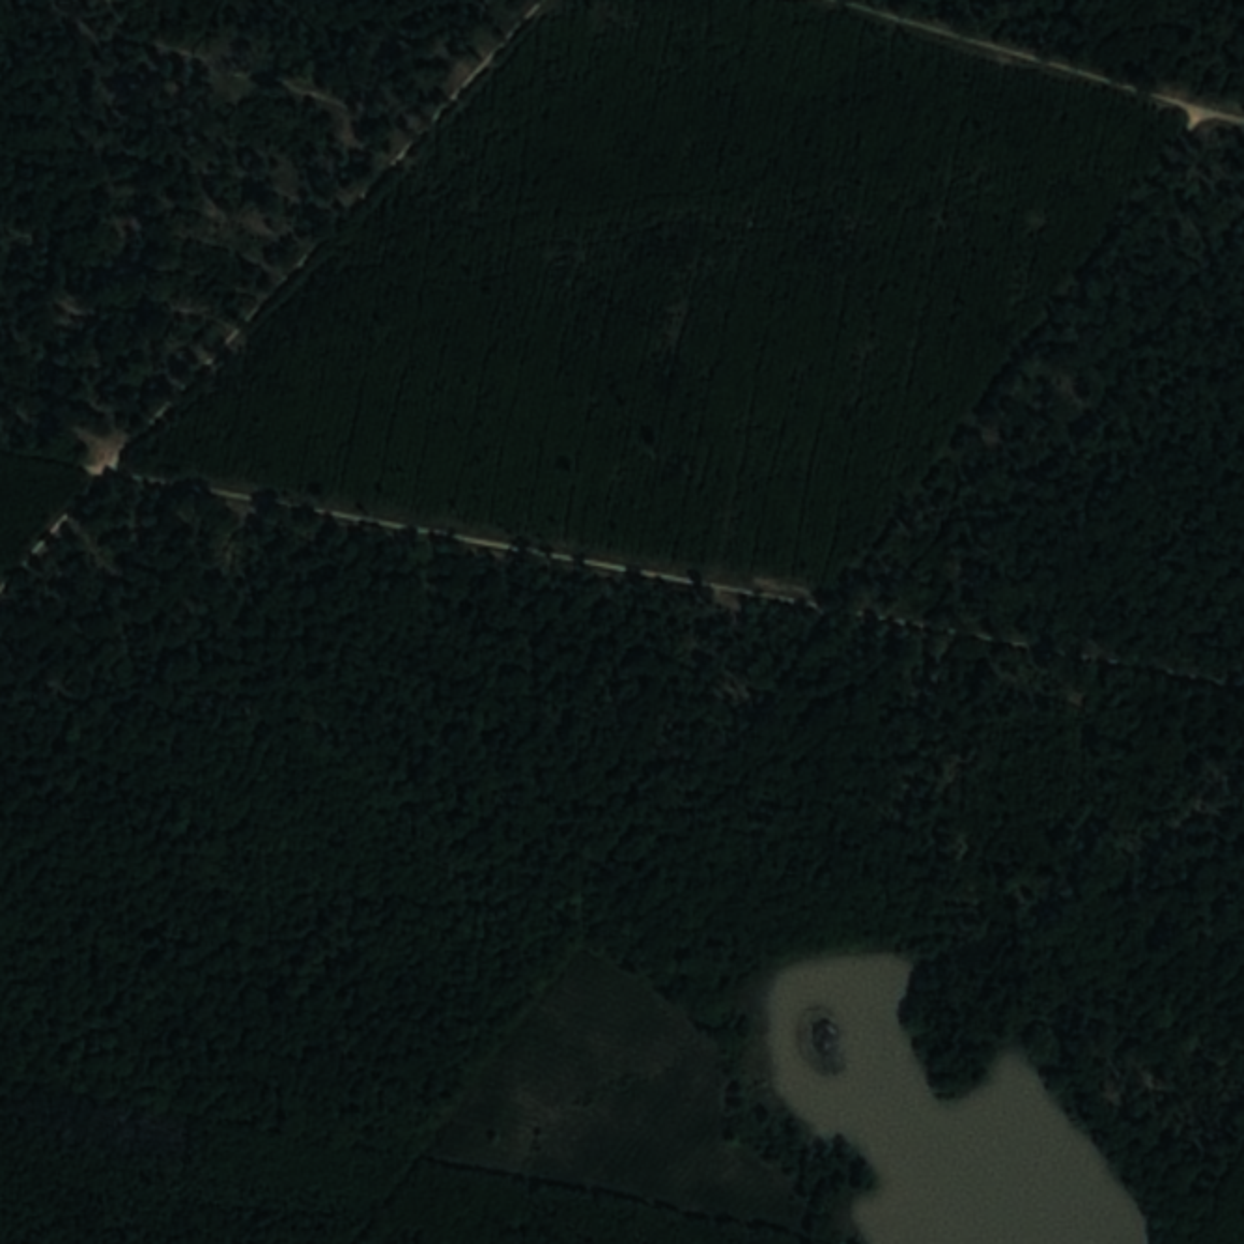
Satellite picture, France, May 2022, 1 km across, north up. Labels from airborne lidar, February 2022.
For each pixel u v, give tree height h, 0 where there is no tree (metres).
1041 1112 0
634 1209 14
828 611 20
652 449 32
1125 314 26
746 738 21
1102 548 23
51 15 24
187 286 7
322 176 27
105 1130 19
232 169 11
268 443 8
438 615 19
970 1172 0
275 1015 28
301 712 22
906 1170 0
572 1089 0
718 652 23
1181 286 23
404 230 7
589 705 20
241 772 24
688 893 28
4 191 27
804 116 9
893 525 16
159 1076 28
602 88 6
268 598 25
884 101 6
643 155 6
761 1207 0
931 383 5
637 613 21
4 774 29
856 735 21
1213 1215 9
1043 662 31
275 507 26
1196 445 22
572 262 5
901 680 23
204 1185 19
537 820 20
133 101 27
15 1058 24
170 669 25
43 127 24
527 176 7
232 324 30
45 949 28
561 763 21
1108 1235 0
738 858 21
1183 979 22
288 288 8
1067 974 27
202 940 27
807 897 17
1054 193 6
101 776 28
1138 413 24
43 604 29
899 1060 0
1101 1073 26
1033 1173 0
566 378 5
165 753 25
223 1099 25
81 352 30
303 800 24
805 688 21
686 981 29
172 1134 19
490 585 24
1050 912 27
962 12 25
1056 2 12
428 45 22
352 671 22
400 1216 16
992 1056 14
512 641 19
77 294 31
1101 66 9
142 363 24
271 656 21
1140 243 19
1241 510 19
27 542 11
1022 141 6
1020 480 28
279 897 24
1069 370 27
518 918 26
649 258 6
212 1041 26
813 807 22
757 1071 0
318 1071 27
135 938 25
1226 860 25
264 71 0
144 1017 27
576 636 20
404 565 24
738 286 6
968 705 17
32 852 28
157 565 21
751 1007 0
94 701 28
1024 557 27
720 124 7
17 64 23
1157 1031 25
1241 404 24
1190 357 22
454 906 25
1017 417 25
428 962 26
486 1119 0
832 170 6
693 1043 0
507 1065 0
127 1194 18
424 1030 25
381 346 6
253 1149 17
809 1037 0
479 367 5
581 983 0
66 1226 20
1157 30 8
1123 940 24
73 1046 28
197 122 32
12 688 30
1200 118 0
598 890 25
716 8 6
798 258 6
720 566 0
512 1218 13
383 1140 23
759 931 21
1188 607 18
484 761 24
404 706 20
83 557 15
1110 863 29
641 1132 0
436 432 6
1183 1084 6
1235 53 6
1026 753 7
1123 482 23
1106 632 26
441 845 20
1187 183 28
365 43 27
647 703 22
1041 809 7
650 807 21
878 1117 0
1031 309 7
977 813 8
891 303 6
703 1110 0
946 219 10
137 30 14
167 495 24
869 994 0
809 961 0
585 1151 0
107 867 23
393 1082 25
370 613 18
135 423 25
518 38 6
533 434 5
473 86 6
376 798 24
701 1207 0
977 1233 0
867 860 21
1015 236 7
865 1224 0
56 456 10
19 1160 19
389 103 30
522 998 22
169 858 29
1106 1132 21
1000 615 24
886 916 19
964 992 13
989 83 6
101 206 25
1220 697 16
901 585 19
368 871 24
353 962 29
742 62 7
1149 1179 24
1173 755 11
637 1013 0
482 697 25
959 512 6
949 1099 16
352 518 0
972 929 30
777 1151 13
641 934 27
